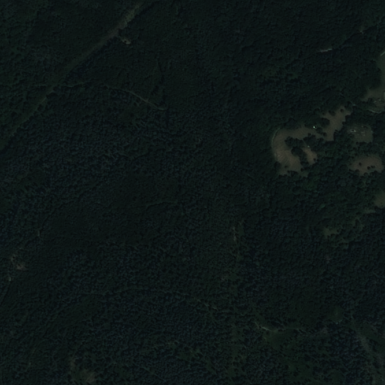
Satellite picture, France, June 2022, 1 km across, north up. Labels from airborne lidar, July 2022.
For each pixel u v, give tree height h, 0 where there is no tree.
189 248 8
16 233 17
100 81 25
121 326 12
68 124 26
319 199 22
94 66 20
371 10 26
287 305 21
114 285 11
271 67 26
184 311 22
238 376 15
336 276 28
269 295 14
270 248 24
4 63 13
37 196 11
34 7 23
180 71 26
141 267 20
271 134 11
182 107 22
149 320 11
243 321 17
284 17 28
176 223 13
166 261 13
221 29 25
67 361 10
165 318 15
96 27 25
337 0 13
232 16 25
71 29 20
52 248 12
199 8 22
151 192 14
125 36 17
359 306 12
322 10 22
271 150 16
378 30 24
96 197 19
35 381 7
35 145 27
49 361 9
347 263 27
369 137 0
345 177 23
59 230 13
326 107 17
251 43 28
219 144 33
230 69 28
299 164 0
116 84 23
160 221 13
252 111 28
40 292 11
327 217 18
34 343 13
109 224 18
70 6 28
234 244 12
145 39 28
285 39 29
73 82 14
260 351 23
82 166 25
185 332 22
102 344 17
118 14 18
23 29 10
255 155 25
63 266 15
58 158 22
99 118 27
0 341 7
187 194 20
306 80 22
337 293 20
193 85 20
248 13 31
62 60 21
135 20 16
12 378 9
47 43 20
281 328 28
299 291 23
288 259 23
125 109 11
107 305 9
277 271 20
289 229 18
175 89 28
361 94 14
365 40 24
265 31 33
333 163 19
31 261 13
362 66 23
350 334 11
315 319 24
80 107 28
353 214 12
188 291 13
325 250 22
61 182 26
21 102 19
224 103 26
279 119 21
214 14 28
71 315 12
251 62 31
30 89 13
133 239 13
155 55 21
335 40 28
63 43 26
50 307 12
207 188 22
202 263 20
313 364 13
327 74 22
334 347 21
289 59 24
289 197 27
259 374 28
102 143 22
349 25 27
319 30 30
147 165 17
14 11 22
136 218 11
